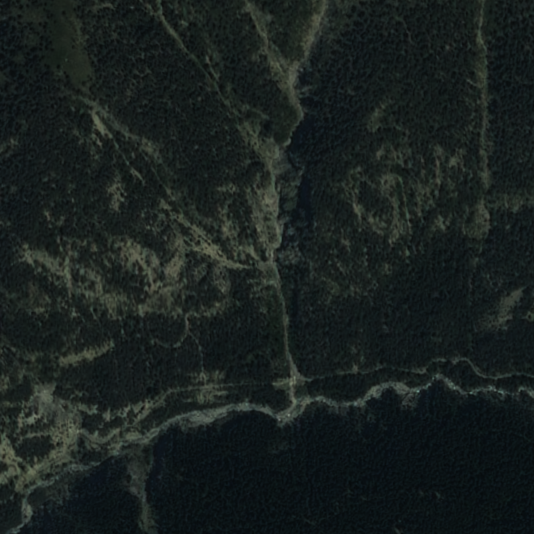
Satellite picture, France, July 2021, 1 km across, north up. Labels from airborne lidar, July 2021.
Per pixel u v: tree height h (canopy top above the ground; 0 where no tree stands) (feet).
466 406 27
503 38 47
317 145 65
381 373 48
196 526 88
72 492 25
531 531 71
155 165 24
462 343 58
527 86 66
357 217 30
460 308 42
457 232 35
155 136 31
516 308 28
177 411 31
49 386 0
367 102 34
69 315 25
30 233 25
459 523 60
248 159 20
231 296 21
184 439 43
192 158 41
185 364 39
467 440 81
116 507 74
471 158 36
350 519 47
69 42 0
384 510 63
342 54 30
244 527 21
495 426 61
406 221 24
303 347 41
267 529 78
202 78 37
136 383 42
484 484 71
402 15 38
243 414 22
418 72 43
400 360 60
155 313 27
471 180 42
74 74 0
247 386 31
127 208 29
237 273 34
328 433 76
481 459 54
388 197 25
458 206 23
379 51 44
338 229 32
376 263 29
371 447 41
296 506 72
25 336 26
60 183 36
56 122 30
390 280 27
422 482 71
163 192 44
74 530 69
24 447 34
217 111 27
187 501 74
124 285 38
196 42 46
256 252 22
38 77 26
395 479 77
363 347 26
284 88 0
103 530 50
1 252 51
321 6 0
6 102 30
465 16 29
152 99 39
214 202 27
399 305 54
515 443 61
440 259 57
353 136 27
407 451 67
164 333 34
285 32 27
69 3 0
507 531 75
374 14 22
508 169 39
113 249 32
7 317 25
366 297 46
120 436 24
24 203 40
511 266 20
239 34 33
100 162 23
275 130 27
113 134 18
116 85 42
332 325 50
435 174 30
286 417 0
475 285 23
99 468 34
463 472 76
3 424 26
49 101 29
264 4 39
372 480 84
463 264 59
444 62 58
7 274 34
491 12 37
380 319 55
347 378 57
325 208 32
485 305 48
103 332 25
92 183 26
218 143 22
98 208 24
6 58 52
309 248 28
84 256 25
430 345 46
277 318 23
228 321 52
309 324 58
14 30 41
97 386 36
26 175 44
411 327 54
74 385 26
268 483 72
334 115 51
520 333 52
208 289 24
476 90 45
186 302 31
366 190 35
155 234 30
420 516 70
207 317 47
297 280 57
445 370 51
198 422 0
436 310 27
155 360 43
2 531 28
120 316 20
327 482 70
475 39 35
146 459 22
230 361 48
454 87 52
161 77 26
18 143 30
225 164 40
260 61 28
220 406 20
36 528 18
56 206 36
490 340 51
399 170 31
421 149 26
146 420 25
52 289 40
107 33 41
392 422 61
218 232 27
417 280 38
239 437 75
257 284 24
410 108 34
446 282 62
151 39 47
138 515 58
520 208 20
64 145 34
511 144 33
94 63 36
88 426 23
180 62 41
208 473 83
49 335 25
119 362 32
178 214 30
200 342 46
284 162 0
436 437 87
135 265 32
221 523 81
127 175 32
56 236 22
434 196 53
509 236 20
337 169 34
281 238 0
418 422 88
